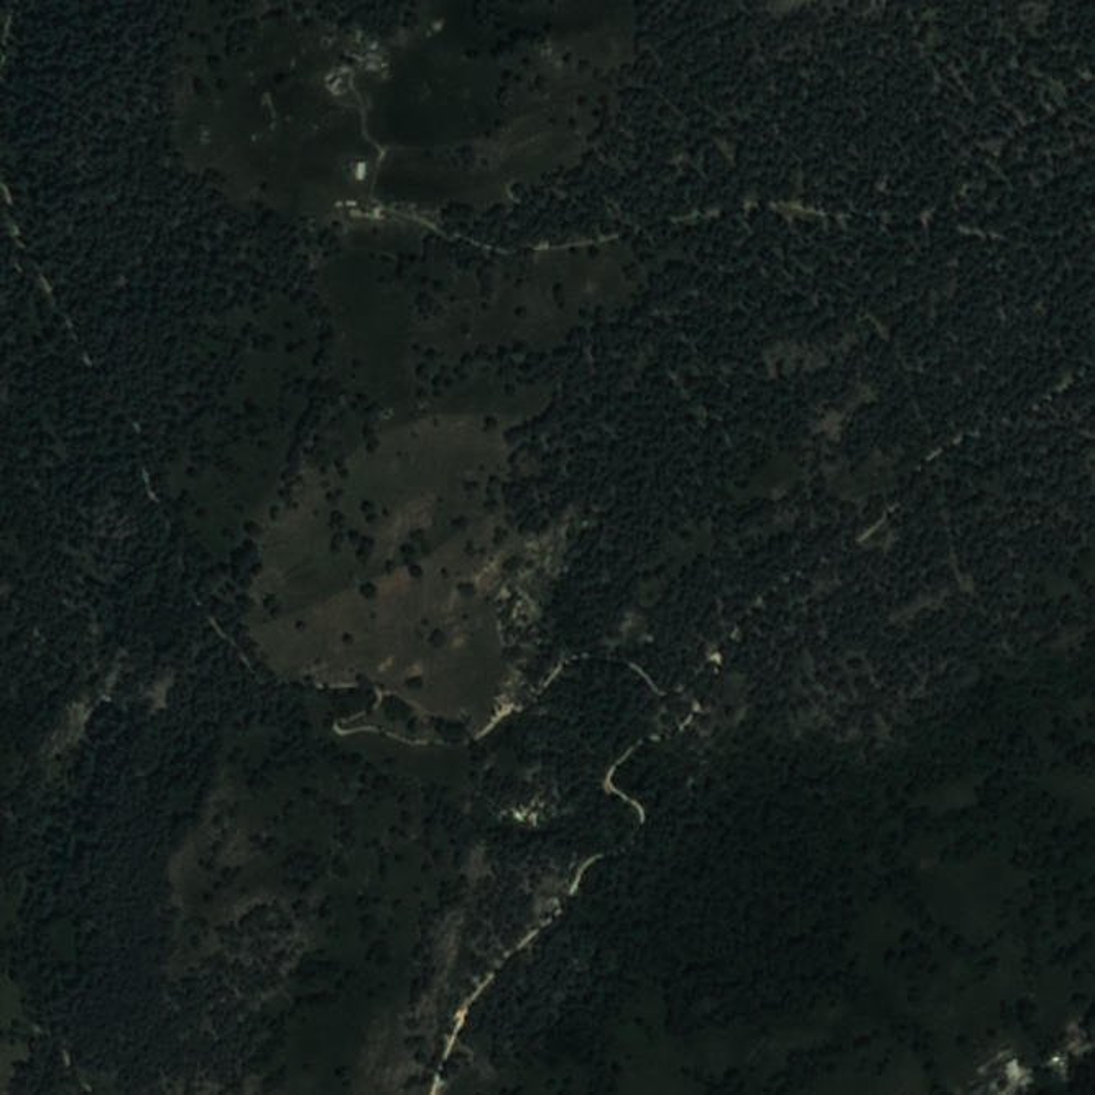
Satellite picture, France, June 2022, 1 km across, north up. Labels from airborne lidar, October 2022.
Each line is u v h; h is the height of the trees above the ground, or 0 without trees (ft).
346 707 21
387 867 23
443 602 0
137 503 90
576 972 62
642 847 62
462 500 0
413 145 0
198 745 62
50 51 94
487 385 0
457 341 0
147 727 42
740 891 33
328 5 44
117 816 59
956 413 49
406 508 0
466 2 0
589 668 33
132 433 46
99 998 43
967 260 65
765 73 78
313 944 0
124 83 29
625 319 57
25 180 64
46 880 111
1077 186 87
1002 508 37
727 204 78
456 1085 0
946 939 46
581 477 65
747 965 20
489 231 43
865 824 49
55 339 98
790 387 71
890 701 37
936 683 37
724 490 31
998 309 42
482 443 0
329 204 0
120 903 43
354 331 0
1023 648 44
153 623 47
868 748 23
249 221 34
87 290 64
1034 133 79
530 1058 28
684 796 78
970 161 23
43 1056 72
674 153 66
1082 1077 36
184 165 31
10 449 39
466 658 0
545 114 0
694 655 27
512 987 59
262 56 0
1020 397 48
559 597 52
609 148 49
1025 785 53
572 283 0
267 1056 24
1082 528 56
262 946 41
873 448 38
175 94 51
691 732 44
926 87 93
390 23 54
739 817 41
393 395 0
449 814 52
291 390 24
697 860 24
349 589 0
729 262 81
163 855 43
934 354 83
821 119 74
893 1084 0
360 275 0
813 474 18
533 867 40
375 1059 0
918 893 51
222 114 0
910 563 59
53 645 71
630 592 46
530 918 41
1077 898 23
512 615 43
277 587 0
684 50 71
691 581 60
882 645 51
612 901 67
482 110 0
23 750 51
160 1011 37
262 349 89
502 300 0
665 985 42
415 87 0
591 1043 30
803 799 67
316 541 0
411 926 0
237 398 0
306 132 0
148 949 43
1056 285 60
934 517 69
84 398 75
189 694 71
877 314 93
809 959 40
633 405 97
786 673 41
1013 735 20
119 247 66
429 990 43
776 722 49
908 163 79
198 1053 34
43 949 94
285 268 54
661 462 70
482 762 48
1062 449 41
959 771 37
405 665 0
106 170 40
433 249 58
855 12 63
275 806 0
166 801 46
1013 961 0
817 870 31
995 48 73
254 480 0
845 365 32
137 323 81
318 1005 49
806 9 37
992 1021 0
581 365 66
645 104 44
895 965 73
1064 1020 0
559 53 0
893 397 75
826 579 27
